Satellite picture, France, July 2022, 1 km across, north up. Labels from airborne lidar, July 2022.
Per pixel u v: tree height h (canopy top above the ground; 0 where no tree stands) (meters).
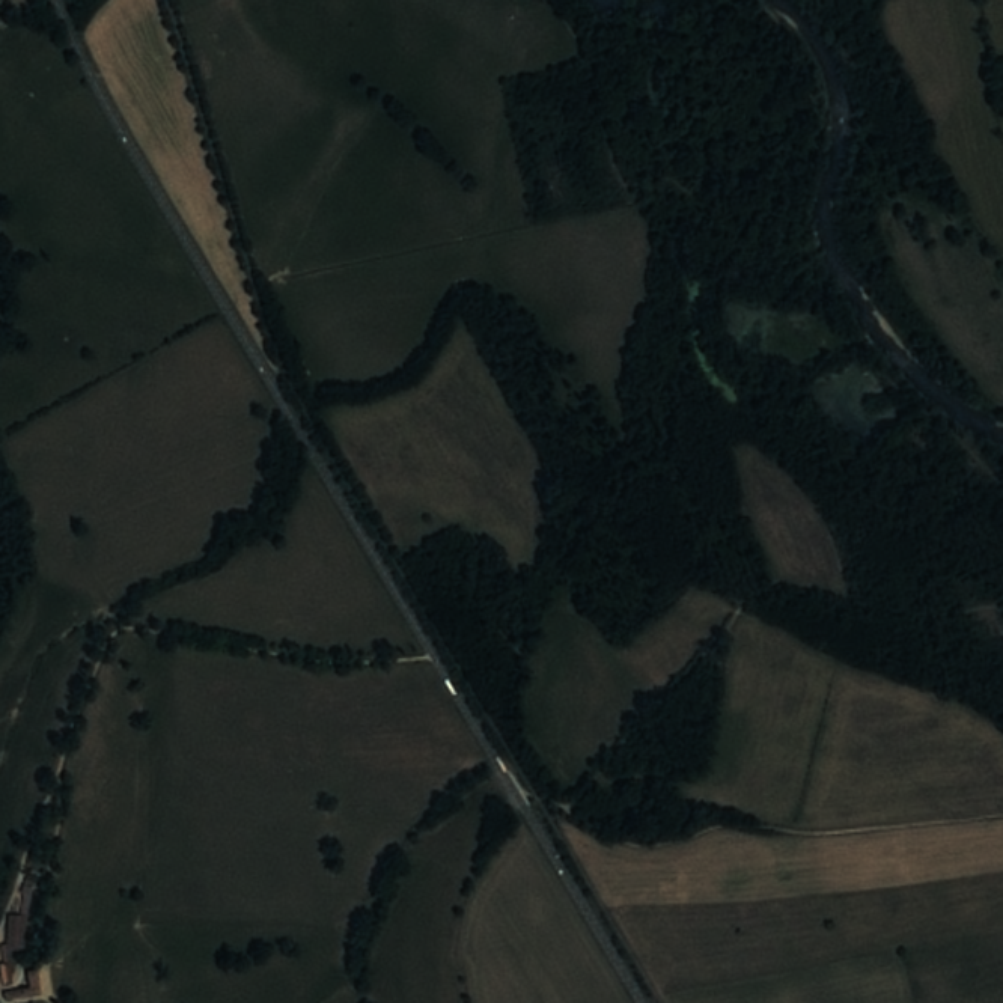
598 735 0
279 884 0
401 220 0
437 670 0
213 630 12
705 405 24
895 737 0
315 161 0
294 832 0
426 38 0
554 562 18
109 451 0
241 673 0
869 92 12
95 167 0
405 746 0
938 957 0
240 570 0
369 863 0
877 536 13
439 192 0
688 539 14
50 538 0
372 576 0
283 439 19
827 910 0
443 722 0
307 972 0
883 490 27
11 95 0
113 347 0
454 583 12
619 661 0
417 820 0
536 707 0
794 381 28
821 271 9
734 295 29
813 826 0
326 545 0
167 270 0
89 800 0
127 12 0
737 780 0
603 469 19
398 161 0
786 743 0
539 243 0
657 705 21
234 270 0
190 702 0
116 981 0
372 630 0
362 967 15
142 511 0
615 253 0
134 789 0
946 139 0
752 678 0
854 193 15
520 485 0
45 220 0
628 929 0
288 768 0
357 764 0
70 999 23
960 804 0
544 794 15
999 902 0
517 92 7
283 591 0
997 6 0
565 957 0
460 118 0
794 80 26
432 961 0
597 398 11
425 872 0
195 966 0
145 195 0
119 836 0
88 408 0
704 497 26
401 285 0
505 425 0
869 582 11
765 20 27
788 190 21
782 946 0
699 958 0
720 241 9
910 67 0
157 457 0
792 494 0
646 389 30
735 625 0
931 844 0
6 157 0
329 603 0
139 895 10
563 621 0
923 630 8
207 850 0
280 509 18
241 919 0
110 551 0
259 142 0
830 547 0
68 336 0
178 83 0
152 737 0
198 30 0
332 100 0
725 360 31
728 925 0
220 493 0
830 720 0
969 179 0
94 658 19
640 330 18
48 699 0
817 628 18
